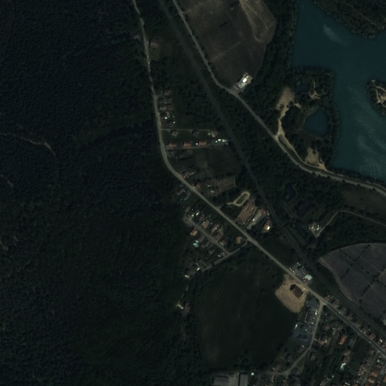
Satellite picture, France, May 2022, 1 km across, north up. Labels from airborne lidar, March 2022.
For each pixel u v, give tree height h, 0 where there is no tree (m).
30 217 18
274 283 0
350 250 0
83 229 25
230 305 0
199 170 6
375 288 0
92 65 27
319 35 0
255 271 0
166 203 0
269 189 23
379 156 0
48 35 23
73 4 24
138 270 24
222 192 0
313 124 0
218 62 0
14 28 23
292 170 16
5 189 29
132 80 30
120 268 20
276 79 18
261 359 0
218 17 0
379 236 0
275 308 0
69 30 18
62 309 14
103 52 32
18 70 30
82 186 19
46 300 18
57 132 24
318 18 0
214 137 0
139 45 22
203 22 0
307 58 0
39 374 16
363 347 0
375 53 0
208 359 0
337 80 0
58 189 14
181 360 20
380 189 0
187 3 0
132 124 0
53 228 26
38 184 27
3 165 21
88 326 20
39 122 25
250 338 0
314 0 8
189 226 0
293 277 0
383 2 16
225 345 0
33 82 27
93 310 20
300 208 11
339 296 0
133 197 31
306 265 6
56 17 23
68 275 15
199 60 0
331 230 21
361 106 0
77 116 27
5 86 23
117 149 26
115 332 22
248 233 14
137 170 35
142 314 21
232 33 0
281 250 0
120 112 35
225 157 0
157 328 7
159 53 0
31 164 26
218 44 0
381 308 0
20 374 21
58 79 30
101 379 16
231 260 13
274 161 20
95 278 21
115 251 21
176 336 8
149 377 19
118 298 24
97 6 33
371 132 0
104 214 18
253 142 23
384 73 0
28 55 29
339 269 0
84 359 22
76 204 24
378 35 0
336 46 0
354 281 0
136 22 21
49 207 23
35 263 27
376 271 0
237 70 0
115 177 37
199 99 16
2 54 27
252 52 0
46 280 24
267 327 0
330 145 18
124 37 28
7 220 19
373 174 0
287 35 18
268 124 10
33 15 25
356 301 0
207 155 0
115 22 28
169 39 0
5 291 9
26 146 18
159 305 31
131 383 6
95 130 24
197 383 17
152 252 18
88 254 16
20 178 26
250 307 0
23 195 29
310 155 0
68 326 17
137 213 22
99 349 24
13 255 23
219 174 0
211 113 15
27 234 21
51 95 28
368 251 0
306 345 0
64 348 14
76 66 27
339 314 0
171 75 6
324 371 5
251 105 13
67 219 25
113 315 24
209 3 0
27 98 29
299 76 17
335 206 15
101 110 31
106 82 29
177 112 0
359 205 0
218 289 0
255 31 0
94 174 28
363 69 0
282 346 15
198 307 0
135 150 37
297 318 0
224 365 0
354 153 0
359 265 6
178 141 0
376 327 0
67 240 26
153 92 13
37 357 29
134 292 19
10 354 18
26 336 20
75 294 18
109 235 18
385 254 0
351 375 8
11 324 22
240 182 15
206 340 0
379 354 0
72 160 21
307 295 0
